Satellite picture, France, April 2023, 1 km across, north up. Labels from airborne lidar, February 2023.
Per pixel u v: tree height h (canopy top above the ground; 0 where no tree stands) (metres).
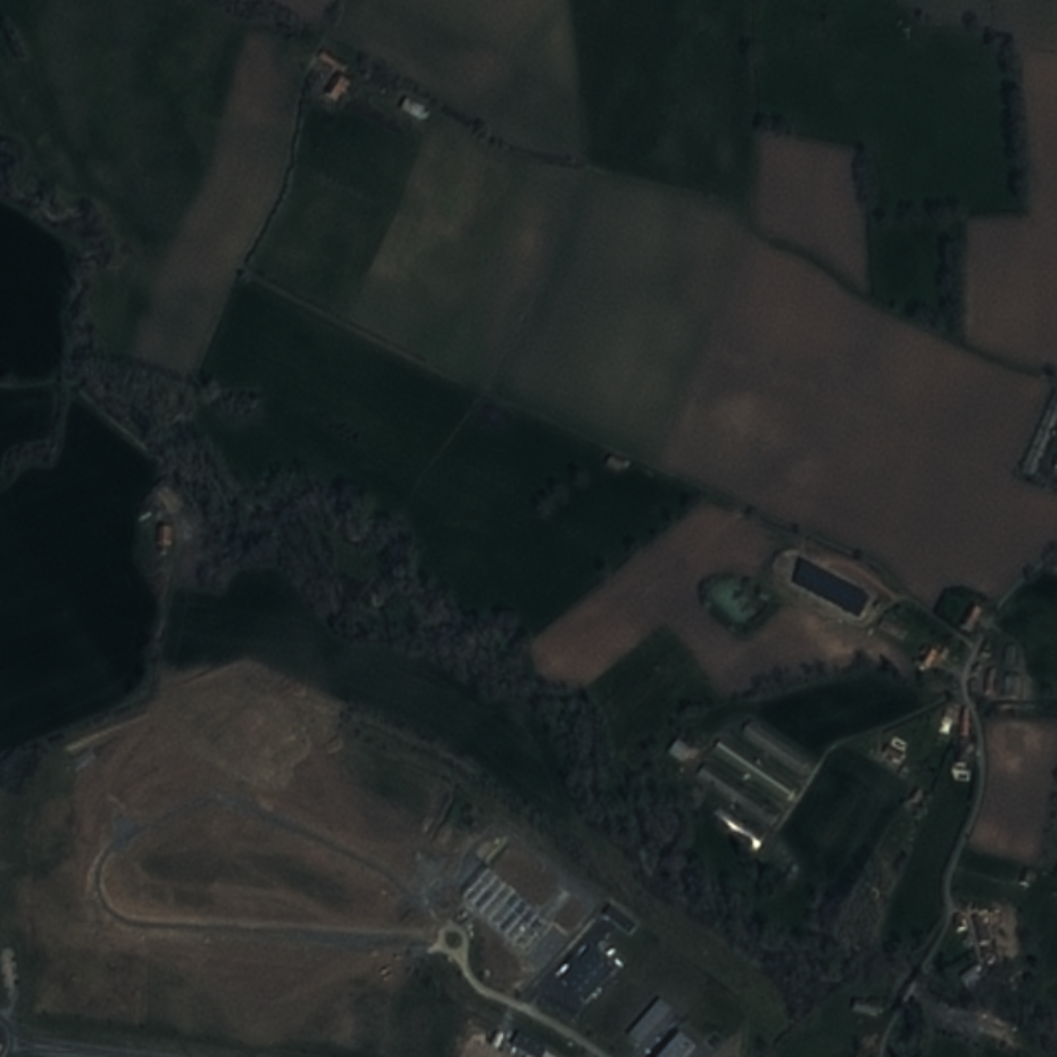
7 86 0
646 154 0
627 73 0
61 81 0
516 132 0
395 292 0
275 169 0
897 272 0
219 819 0
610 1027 0
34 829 0
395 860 0
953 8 0
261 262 0
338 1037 0
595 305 0
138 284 0
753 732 0
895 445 0
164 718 0
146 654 17
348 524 32
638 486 0
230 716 0
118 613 0
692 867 24
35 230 0
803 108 0
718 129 0
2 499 0
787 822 0
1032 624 0
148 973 0
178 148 0
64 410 7
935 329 21
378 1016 0
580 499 0
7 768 9
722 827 10
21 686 0
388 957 0
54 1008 0
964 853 0
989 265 0
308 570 19
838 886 0
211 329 0
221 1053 0
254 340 0
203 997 0
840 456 0
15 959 0
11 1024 0
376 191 0
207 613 0
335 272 0
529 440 0
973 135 0
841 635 0
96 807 0
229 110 0
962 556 0
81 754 0
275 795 0
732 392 0
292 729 0
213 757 0
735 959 0
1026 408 0
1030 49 0
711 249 0
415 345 0
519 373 0
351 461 0
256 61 0
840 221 0
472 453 0
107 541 0
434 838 0
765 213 0
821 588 0
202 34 0
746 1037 0
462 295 0
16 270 0
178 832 0
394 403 0
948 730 0
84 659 0
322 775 0
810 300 0
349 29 0
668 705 0
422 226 0
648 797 22
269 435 0
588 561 0
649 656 0
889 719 0
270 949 0
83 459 0
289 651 0
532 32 0
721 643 0
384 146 0
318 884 0
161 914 0
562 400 0
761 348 0
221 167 0
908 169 0
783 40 0
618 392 0
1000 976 17
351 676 0
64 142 0
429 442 0
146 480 0
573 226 0
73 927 0
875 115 0
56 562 0
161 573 0
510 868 0
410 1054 0
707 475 0
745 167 0
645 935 0
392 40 0
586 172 0
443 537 0
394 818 0
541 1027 0
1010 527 0
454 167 0
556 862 0
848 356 0
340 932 0
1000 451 0
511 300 0
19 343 0
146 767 0
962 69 0
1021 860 0
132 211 0
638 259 0
